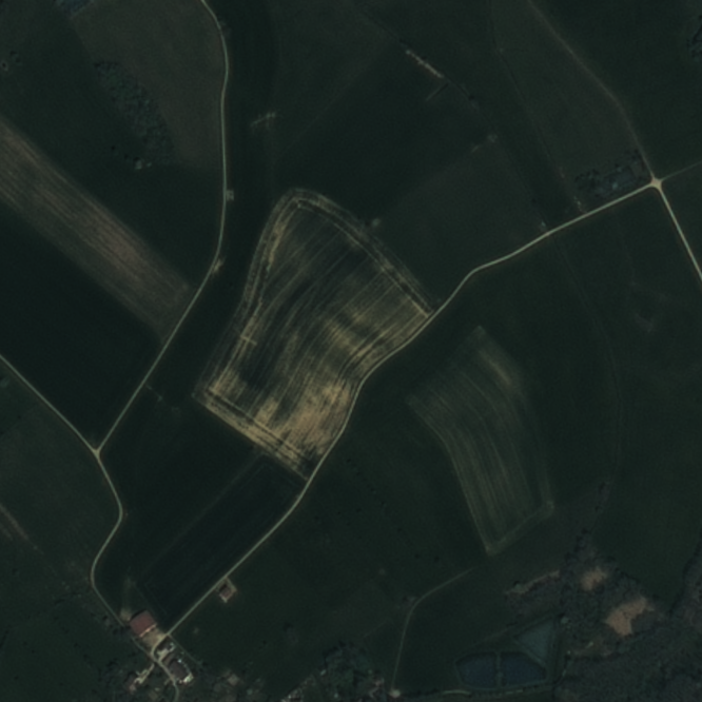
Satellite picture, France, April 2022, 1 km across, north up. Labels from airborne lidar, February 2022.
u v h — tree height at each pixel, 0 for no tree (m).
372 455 0
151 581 0
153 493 0
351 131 0
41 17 0
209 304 0
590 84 0
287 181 0
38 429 0
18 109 0
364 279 0
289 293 0
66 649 0
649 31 0
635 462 0
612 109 0
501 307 0
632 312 0
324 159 0
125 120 0
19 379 0
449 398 0
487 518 0
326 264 0
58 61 0
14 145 0
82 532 0
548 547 0
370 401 0
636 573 0
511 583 0
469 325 0
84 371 0
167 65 0
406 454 0
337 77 0
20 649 0
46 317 0
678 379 0
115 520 0
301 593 0
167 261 0
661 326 0
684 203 0
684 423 0
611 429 0
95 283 0
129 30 0
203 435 0
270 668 0
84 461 0
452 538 0
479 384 0
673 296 0
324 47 0
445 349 0
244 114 0
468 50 0
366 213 0
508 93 0
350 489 0
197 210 0
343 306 0
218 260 0
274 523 0
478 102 14
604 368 0
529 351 0
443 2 0
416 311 0
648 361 0
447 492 0
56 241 0
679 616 21
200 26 0
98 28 0
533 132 0
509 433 0
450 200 0
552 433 0
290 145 0
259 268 0
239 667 0
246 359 0
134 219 0
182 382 0
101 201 0
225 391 0
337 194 0
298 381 0
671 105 0
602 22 0
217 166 0
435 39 0
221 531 0
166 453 0
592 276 0
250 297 0
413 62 0
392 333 0
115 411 0
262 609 0
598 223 0
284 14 0
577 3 0
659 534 0
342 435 0
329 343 0
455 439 0
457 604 0
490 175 0
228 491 0
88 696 0
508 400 0
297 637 18
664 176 0
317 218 0
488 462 0
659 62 0
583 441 0
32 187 0
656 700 23
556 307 0
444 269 0
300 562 0
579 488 0
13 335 0
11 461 0
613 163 0
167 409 0
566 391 0
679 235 0
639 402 0
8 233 0
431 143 0
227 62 0
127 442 0
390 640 0
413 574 0
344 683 16
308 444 0
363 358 0
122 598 0
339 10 0
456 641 0
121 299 0
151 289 0
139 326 0
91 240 0
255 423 0
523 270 0
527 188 0
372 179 0
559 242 0
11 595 0
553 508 0
